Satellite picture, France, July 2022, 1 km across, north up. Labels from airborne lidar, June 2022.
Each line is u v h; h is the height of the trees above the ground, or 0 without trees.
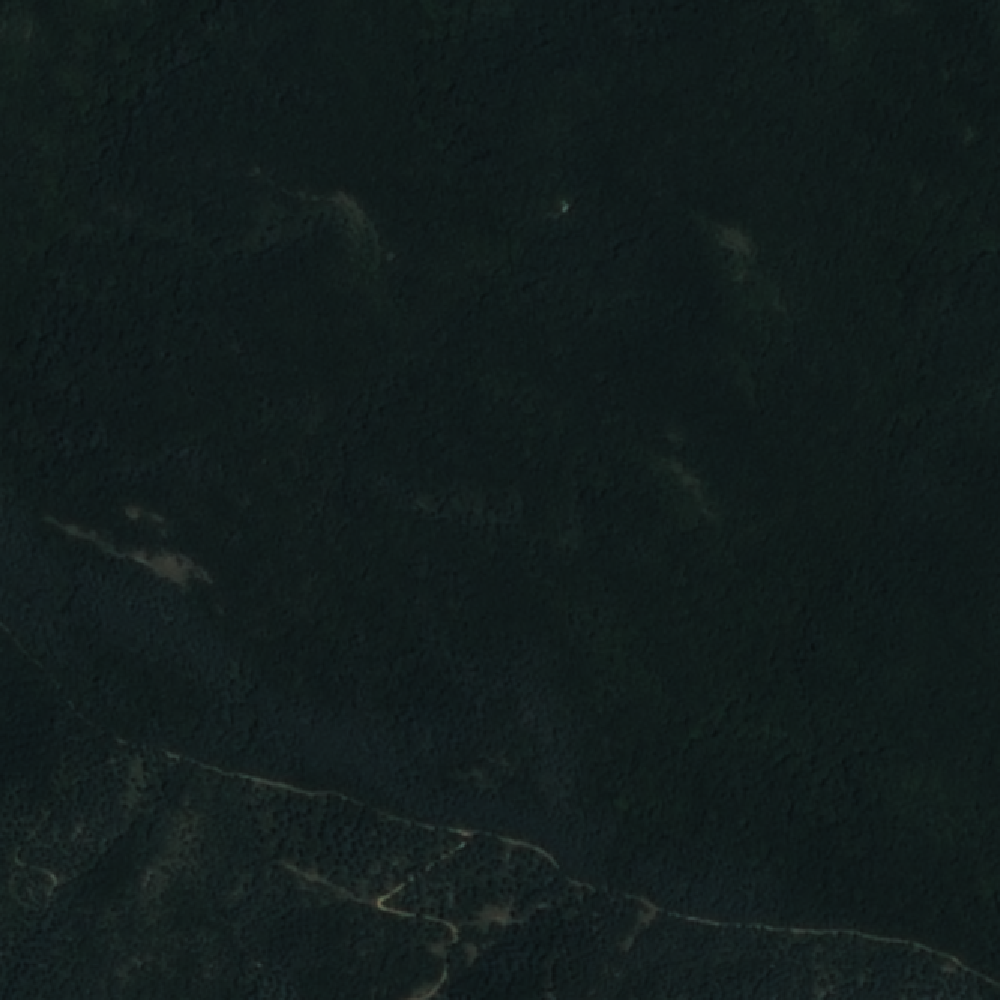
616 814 12
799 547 16
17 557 14
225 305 7
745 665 16
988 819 14
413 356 12
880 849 12
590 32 11
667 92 8
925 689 11
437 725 15
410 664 11
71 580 13
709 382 8
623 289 7
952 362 12
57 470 15
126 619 13
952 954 10
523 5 11
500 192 12
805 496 10
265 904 13
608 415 6
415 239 13
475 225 6
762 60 12
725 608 15
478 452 9
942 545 13
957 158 15
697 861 15
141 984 6
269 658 12
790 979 14
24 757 11
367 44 11
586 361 10
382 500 9
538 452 9
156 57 6
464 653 9
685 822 9
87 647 7
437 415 9
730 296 10
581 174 14
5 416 16
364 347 14
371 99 12
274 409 13
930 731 12
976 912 12
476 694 10
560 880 11
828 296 14
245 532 11
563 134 8
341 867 15
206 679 13
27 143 10
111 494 14
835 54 10
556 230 11
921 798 10
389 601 11
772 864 12
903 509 11
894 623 11
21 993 13
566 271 10
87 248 9
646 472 10
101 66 10
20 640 7
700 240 9
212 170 6
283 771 9
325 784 10
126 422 11
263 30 12
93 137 12
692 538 10
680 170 9
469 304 17
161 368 14
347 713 8
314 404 12
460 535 9
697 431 8
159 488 14
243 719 13
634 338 8
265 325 8
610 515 11
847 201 13
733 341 8
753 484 8
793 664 20
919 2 14
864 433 12
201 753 9
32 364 7
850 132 18
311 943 11
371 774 14
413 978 6
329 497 15
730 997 16
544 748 14
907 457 14
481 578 11
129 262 13
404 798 14
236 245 6
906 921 12
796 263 11
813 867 13
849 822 13
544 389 8
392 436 16
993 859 14
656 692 11
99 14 7
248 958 15
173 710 8
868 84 14
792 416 14
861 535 18
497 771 7
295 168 6
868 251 20
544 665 10
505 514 10
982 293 16
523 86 12
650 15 13
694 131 9
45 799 13
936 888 12
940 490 9
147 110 13
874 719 14
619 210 13
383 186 12
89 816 15
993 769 14
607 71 9
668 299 7
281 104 13
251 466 9
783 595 14
